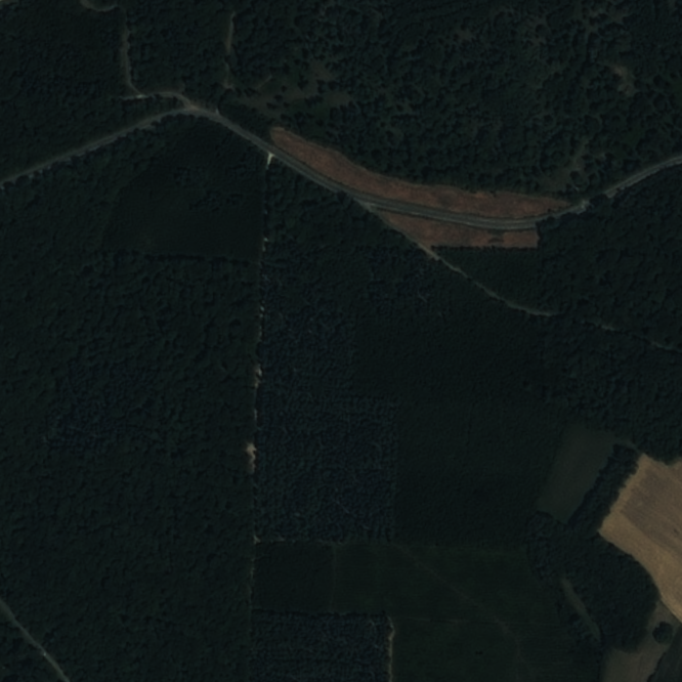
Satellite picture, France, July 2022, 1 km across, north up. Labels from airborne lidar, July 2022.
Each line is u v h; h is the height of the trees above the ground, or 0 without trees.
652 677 8
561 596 6
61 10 15
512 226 0
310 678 20
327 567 7
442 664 0
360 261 16
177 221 6
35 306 28
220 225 7
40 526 25
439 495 16
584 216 13
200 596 22
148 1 25
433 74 20
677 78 24
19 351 23
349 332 24
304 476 26
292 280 22
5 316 23
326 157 0
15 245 20
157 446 22
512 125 16
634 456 24
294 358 27
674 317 25
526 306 13
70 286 24
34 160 17
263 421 26
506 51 8
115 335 23
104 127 22
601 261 30
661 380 24
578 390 25
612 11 20
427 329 15
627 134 20
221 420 31
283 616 18
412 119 22
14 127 25
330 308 25
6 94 25
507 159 8
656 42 21
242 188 14
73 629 24
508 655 0
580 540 24
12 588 24
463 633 0
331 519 15
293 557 9
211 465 25
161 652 23
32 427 26
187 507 25
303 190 23
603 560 28
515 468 14
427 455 13
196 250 7
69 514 20
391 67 21
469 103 8
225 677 19
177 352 23
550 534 27
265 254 13
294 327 27
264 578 9
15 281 22
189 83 23
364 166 8
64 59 20
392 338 13
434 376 15
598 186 13
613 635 25
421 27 15
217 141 14
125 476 21
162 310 10
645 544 0
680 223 24
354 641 24
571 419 15
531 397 14
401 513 18
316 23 21
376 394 15
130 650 20
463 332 15
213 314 24
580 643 14
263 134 19
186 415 27
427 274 15
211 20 20
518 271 16
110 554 26
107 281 23
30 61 21
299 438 26
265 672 18
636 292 27
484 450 15
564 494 0
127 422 25
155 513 24
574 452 0
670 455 25
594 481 0
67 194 21
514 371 15
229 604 23
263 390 17
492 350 16
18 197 26
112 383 24
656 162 22
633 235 26
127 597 15
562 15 11
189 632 26
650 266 24
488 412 14
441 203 0
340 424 26
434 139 24
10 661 26
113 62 12
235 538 23
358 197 0
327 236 29
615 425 26
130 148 24
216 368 30
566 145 27
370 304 15
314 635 24
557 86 14
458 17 14
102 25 17
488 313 17
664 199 20
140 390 27
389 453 22
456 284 16
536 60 7
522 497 15
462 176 22
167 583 25
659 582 0
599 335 27
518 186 23
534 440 14
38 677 23
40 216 22
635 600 27
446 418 14
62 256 21
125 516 29
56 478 23
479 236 0
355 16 24
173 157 14
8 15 22
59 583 24
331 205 25
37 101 21
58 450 30
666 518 0
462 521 14
